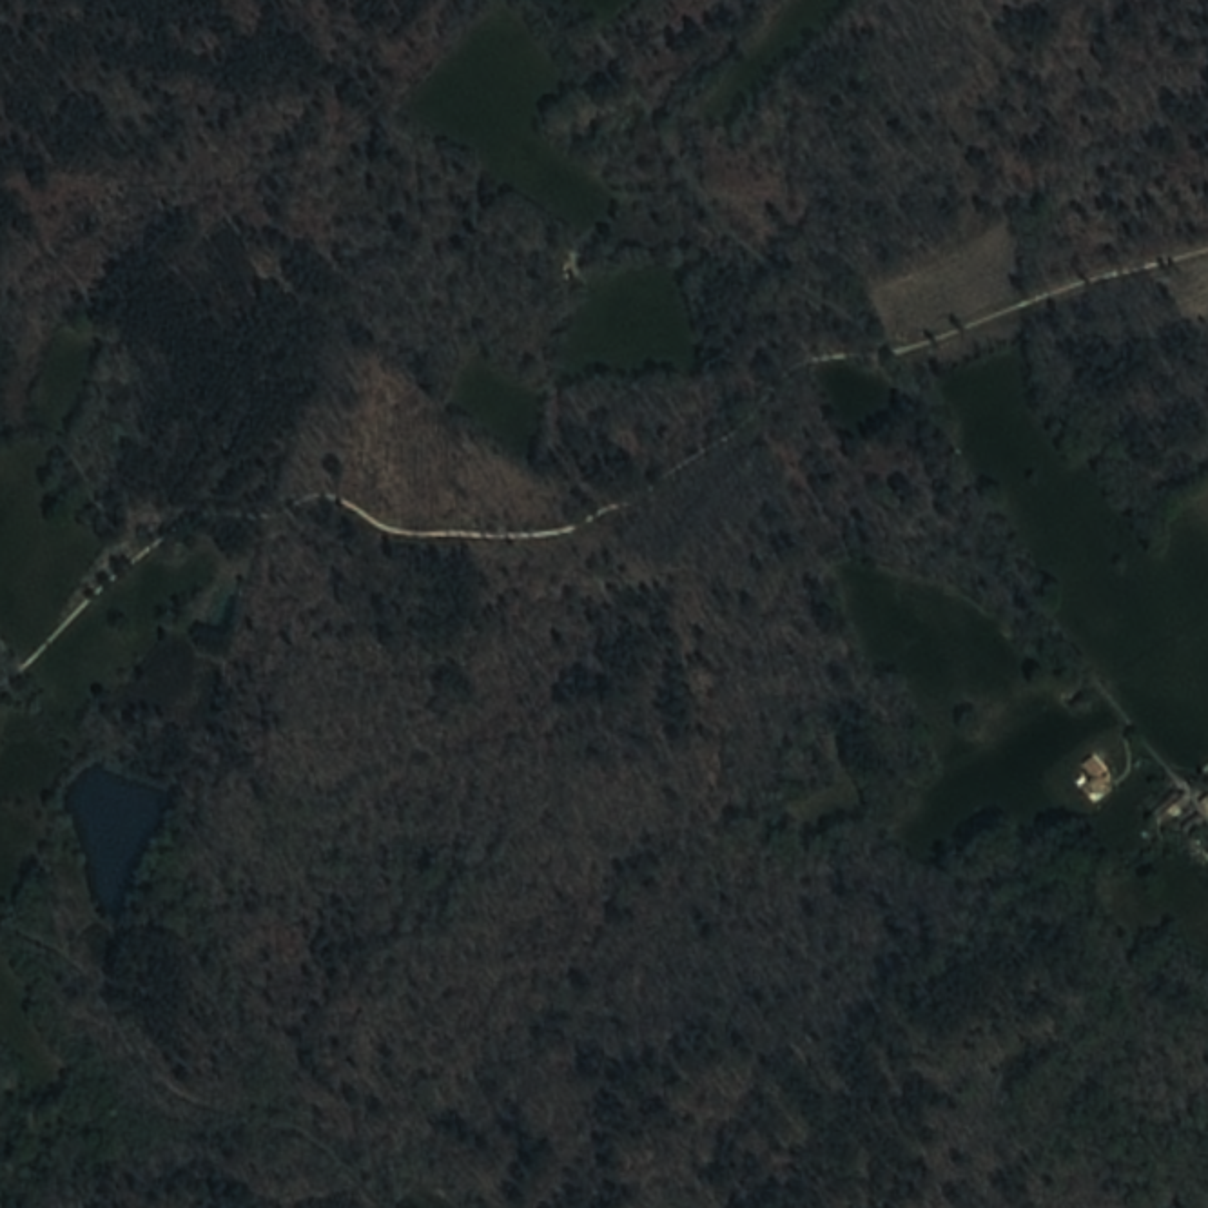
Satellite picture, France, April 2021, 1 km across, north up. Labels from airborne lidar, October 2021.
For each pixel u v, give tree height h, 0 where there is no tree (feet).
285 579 30
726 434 46
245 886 28
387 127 67
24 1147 71
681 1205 63
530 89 0
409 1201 22
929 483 39
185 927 70
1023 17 35
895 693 73
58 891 54
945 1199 47
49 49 44
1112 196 39
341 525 56
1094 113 76
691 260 58
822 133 30
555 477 83
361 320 47
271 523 61
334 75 64
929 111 79
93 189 0
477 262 47
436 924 28
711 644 52
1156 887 60
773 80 57
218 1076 56
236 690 28
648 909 54
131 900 60
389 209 23
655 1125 81
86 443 75
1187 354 82
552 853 45
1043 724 0
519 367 42
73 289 31
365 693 39
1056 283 52
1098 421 74
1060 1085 65
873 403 0
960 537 39
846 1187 77
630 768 70
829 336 42
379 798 38
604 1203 67
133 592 0
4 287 54
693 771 45
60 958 41
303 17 33
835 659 57
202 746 46
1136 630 0
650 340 0
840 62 63
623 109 48
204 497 57
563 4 70
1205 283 0
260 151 55
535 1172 86
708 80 52
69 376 0
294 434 66
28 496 0
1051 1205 41
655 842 30
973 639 0
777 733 59
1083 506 0
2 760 0
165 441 66
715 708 47
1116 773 0
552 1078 45
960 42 57
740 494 62
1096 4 24
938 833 0
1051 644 53
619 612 45
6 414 72
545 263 58
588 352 0
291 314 61
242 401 61
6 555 0
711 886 45
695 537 63
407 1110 39
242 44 52
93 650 0
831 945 43
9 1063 66
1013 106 48
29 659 0
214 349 56
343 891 32
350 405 60
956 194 53
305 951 27
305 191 40
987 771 0
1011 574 63
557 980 45
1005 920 41
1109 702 0
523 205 56
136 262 52
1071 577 0
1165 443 80
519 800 51
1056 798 0
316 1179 53
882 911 57
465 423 65
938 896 51
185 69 51
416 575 45
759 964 54
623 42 30
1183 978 68
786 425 58
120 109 48
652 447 62
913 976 73
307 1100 43
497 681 38
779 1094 72
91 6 46
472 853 60
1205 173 30
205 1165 59
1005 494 51
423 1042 49
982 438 0
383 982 44
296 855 52
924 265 59
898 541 44
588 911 27
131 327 61
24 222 62
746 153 37
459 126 0
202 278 35
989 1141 46
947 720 0
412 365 51
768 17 52
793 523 59
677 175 64
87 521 48
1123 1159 71
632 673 61
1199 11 26
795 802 63
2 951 52
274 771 53
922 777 85
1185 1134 61
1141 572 0
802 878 39
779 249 49
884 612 0
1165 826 47
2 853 0
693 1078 78
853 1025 44
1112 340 57
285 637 33
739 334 41
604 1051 54
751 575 62
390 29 48
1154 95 48
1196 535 0
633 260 67
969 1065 46
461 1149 59
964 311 0
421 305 55
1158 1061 60
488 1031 40
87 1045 48
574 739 50
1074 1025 74
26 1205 44
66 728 0
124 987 86
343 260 54
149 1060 33
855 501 48
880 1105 69
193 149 38
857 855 47
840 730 77
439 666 54
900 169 58
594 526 43
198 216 45
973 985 83
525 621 39
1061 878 89
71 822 39
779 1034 55
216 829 50
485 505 37
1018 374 0
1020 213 67
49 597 0
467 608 77
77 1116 74
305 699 38
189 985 49
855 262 67
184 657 0
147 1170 62
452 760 53
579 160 52
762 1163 35
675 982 52
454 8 35
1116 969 50
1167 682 0
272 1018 27
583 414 36
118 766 56
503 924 47
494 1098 76
